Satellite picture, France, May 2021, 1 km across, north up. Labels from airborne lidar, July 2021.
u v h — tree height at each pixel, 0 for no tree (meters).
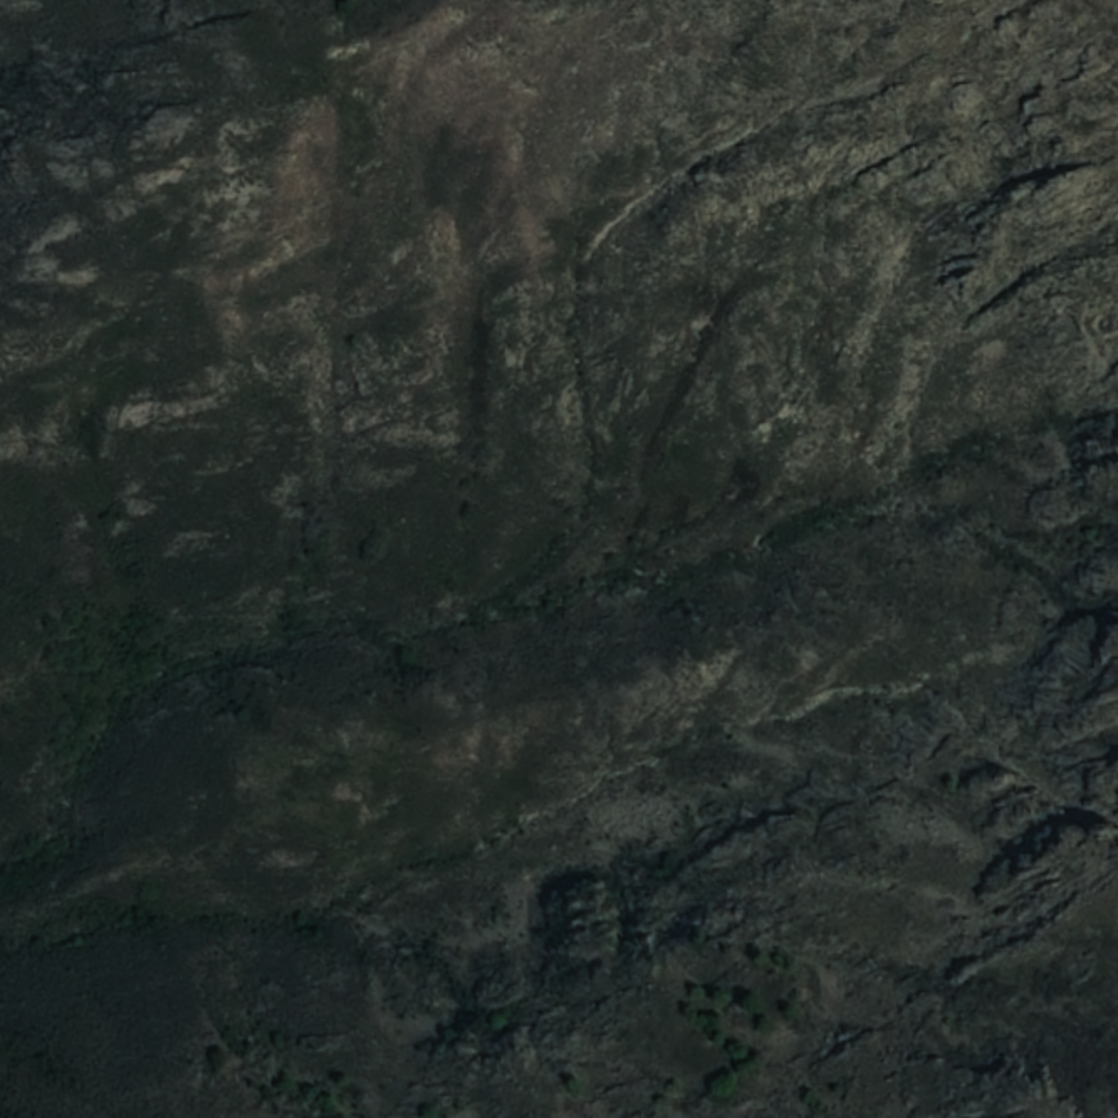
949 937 0
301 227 0
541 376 0
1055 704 0
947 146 9
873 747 0
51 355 0
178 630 9
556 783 0
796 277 0
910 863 0
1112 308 0
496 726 0
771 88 0
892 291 0
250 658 9
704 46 0
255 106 0
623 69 0
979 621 0
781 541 6
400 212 0
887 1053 0
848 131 0
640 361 0
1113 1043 10
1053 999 13
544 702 0
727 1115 0
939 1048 0
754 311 0
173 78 0
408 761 0
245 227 0
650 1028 0
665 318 0
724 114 0
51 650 12
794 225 0
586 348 0
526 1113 0
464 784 0
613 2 0
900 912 0
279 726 0
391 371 0
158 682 6
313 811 0
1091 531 14
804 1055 0
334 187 0
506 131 0
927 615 0
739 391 0
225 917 9
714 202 0
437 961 8
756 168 0
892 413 0
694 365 0
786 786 0
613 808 0
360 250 0
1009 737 0
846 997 0
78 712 15
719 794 0
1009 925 0
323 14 0
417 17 0
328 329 0
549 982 6
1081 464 9
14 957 7
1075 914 0
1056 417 7
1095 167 0
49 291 0
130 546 11
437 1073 0
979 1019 0
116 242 0
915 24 0
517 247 0
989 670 0
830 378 0
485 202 0
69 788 10
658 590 8
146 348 0
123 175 0
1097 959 0
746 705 0
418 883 0
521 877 0
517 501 0
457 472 0
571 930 8
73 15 0
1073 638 0
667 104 0
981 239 8
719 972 0
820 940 0
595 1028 0
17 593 6
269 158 0
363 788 0
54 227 0
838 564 0
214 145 0
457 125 0
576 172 0
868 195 0
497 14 0
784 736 0
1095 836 0
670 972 0
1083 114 0
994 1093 0
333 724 0
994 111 0
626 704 0
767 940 0
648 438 0
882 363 0
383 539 16
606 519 0
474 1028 20
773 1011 0
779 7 0
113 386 0
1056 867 0
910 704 0
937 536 0
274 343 0
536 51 0
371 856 0
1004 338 0
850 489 0
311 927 8
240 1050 11
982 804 0
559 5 0
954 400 0
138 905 6
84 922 7
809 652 0
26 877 19
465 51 0
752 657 0
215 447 0
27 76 11
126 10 0
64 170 0
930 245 0
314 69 0
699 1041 0
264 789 0
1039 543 7
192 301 0
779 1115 0
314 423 0
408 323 0
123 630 7
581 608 0
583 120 0
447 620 15
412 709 0
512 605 7
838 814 0
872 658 0
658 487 0
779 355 0
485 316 0
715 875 7
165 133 0
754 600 0
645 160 0
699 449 0
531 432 0
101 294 0
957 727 0
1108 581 0
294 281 0
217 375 0
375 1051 0
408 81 0
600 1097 0
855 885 0
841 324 0
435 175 0
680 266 0
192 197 0
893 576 0
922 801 0
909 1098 0
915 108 0
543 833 0
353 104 0
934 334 0
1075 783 0
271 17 0
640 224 0
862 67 0
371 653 0
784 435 0
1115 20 0
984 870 0
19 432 0
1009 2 0
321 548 22
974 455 5
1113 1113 0
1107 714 0
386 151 0
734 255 0
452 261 0
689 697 0
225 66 0
